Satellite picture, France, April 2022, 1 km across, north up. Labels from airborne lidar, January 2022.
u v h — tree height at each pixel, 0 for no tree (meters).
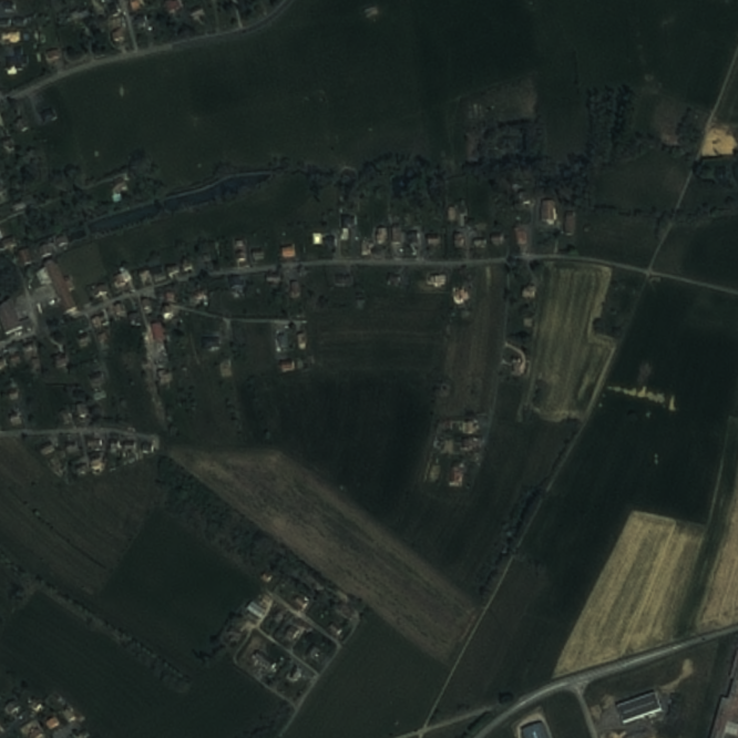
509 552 7
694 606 0
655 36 0
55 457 0
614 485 0
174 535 0
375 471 0
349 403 0
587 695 0
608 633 0
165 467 7
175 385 0
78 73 0
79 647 0
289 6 0
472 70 0
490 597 18
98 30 11
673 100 0
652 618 0
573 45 0
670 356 0
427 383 0
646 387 0
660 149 12
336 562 0
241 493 0
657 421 0
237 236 0
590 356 0
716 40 0
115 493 0
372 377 0
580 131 0
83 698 0
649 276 0
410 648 0
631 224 0
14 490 0
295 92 0
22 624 0
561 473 0
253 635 0
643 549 0
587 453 0
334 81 0
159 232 0
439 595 0
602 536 0
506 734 0
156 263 11
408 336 0
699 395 0
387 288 0
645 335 0
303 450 0
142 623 0
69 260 0
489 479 0
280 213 0
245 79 0
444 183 22
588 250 0
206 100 0
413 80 0
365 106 0
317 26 0
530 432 0
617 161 19
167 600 0
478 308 0
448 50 0
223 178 16
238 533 10
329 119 0
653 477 0
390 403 0
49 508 0
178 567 0
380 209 0
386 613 0
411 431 0
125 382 0
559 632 0
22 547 0
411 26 0
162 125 0
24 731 0
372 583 0
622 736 0
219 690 0
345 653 0
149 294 0
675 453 0
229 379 0
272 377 0
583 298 0
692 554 0
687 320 0
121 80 0
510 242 0
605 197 0
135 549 0
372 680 0
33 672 0
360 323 0
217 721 0
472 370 0
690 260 0
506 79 0
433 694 0
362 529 0
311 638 9
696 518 0
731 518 0
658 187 0
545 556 0
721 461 0
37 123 0
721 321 0
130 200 22
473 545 0
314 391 0
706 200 0
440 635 0
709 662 0
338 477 0
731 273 0
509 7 0
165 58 0
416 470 0
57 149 0
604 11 0
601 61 0
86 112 0
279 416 0
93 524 0
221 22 0
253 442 0
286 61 0
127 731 0
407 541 0
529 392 0
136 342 0
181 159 0
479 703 0
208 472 0
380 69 0
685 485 0
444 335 0
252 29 0
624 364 0
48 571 0
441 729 0
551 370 0
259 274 0
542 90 0
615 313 7
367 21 0
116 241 0
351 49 0
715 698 0
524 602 0
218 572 0
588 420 0
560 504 0
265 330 0
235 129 0
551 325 0
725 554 0
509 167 22
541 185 20
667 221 12
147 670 0
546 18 0
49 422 0
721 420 0
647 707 0
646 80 0
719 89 0
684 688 0
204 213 0
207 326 0
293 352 0
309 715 0
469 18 0
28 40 0
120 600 0
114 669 0
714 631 0
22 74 0
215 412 0
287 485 0
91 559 0
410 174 17
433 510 0
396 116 0
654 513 0
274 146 0
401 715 0
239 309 0
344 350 0
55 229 15
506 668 0
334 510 0
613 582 0
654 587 0
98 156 0
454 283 0
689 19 0
